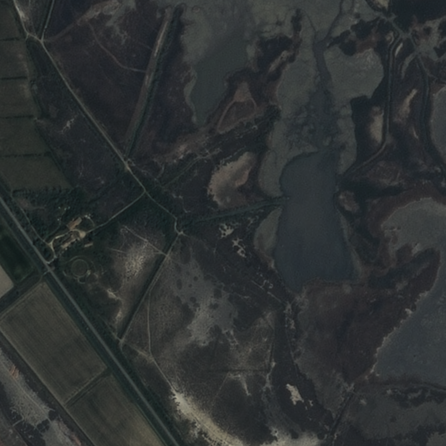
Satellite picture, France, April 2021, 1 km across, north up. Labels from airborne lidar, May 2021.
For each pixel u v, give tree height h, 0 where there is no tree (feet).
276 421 0
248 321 0
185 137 0
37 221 27
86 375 0
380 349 0
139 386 23
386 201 0
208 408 0
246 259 0
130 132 0
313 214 0
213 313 0
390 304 0
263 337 0
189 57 0
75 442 0
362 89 0
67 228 30
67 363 0
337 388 0
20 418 0
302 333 0
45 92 0
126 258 0
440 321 0
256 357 0
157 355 0
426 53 0
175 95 0
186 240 0
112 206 0
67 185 0
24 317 0
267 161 0
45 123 0
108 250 0
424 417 0
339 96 0
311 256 0
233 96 0
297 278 0
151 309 0
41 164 0
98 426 0
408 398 0
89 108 0
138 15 0
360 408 0
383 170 0
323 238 0
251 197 0
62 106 0
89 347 0
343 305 0
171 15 0
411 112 0
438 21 0
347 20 0
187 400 0
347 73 0
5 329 0
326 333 0
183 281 0
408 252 0
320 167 0
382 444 0
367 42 0
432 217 0
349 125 0
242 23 0
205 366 0
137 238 0
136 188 23
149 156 0
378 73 0
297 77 0
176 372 0
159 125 0
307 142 0
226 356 0
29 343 0
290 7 0
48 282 0
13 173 0
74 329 0
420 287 0
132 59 0
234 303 0
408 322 0
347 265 0
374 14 0
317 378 0
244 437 0
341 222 0
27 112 0
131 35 0
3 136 0
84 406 0
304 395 0
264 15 0
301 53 0
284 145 0
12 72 0
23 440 0
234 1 0
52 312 0
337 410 0
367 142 0
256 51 0
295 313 0
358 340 0
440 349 0
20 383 0
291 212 0
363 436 0
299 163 0
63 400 0
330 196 0
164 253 0
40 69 0
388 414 0
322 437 0
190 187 0
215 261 0
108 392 0
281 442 0
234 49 0
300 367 0
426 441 0
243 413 0
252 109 0
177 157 0
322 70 0
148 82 0
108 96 0
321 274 0
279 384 0
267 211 21
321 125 0
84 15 0
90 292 0
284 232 0
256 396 0
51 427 0
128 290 0
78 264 0
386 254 0
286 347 0
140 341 0
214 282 0
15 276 0
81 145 0
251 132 0
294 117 0
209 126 0
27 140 0
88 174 0
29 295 0
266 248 0
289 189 0
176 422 0
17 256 0
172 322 0
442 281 0
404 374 0
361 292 0
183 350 0
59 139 0
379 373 0
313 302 0
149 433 0
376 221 0
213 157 0
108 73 0
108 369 0
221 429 0
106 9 0
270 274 0
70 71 0
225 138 0
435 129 0
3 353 0
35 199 28
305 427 0
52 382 0
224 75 0
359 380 0
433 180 0
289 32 0
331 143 0
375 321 0
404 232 0
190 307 0
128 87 0
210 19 0
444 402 0
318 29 0
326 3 0
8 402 0
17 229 20
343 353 0
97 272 0
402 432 0
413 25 0
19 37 0
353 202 0
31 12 0
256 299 0
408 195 0
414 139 0
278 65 0
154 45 0
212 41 0
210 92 0
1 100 0
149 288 0
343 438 0
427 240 0
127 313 0
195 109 0
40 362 0
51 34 0
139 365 0
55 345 0
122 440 0
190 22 0
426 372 0
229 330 0
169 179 0
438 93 0
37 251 0
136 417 0
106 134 0
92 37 0
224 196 0
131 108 0
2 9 0
